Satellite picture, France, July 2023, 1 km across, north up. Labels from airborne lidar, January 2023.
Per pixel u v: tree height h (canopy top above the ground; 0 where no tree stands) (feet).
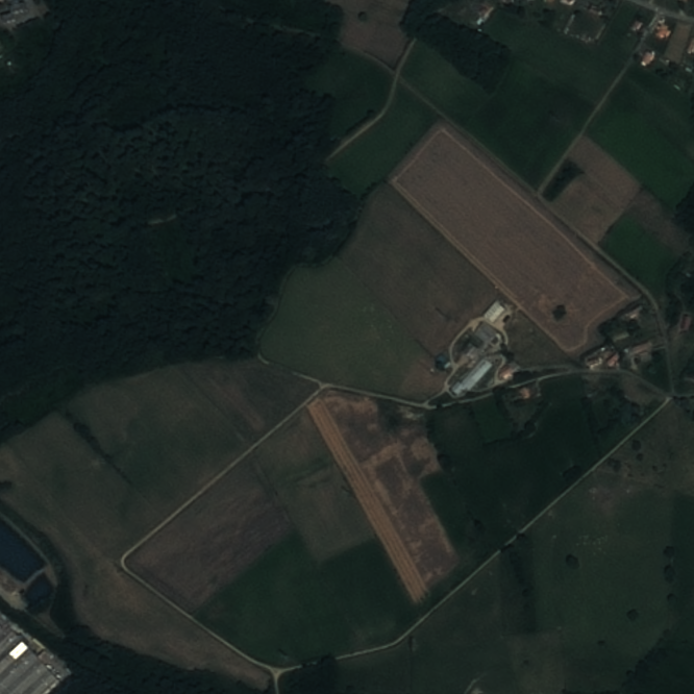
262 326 75
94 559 0
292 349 0
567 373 0
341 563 0
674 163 0
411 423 0
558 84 0
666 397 0
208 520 0
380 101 0
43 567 0
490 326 0
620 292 0
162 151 98
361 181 0
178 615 0
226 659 0
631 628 0
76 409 0
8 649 0
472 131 0
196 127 99
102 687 64
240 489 0
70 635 40
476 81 44
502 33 0
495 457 0
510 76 0
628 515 0
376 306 0
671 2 0
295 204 82
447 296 0
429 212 0
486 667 0
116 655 21
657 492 0
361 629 0
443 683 0
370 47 0
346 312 0
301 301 0
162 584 0
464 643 0
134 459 0
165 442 0
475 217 0
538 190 0
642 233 0
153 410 0
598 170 0
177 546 0
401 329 0
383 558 0
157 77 77
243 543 0
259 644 0
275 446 0
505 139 0
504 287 0
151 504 0
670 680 0
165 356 75
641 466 0
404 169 0
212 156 106
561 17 0
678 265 23
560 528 0
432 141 0
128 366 72
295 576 0
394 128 0
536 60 0
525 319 0
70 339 78
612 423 24
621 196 0
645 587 0
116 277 74
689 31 0
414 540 0
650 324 0
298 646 0
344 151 0
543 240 0
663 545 0
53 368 68
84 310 60
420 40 23
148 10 59
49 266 67
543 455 0
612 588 0
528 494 0
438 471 0
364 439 0
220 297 75
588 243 0
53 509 0
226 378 0
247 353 62
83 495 0
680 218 41
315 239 79
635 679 41
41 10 0
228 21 36
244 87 54
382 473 0
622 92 0
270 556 0
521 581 19
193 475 0
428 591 0
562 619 0
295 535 0
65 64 60
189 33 52
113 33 32
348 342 0
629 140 0
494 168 0
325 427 0
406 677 0
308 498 0
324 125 62
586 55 0
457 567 0
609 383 0
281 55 22
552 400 0
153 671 32
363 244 0
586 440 0
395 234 0
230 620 0
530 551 0
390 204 0
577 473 27
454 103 0
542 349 0
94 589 0
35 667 0
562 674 0
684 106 0
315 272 0
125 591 0
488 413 0
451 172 0
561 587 0
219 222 80
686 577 0
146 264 67
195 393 0
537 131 0
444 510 0
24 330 65
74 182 68
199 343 82
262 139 81
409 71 0
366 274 0
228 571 0
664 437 0
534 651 0
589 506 0
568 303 0
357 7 0
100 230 94
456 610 0
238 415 0
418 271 0
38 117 33
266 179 94
